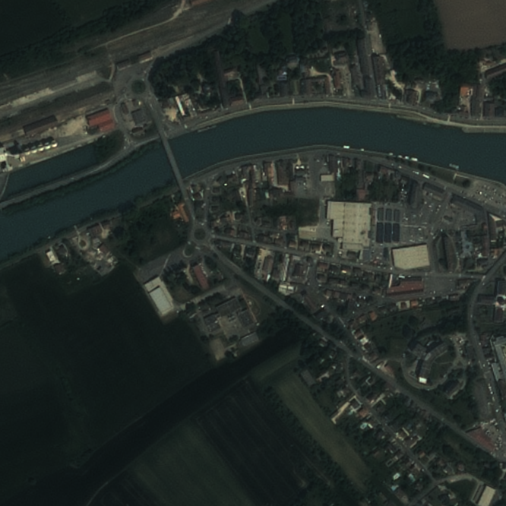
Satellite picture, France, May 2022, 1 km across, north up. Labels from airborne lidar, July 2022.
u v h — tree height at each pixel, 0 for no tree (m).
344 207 0
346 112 0
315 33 10
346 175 8
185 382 0
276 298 0
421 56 22
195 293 14
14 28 0
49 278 0
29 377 0
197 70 30
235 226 0
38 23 0
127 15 9
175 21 0
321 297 0
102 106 0
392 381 0
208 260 15
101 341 0
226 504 0
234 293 0
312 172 0
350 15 0
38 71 0
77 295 0
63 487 0
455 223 0
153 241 11
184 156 0
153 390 0
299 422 5
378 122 0
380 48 0
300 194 0
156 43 0
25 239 0
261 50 0
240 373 0
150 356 0
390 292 0
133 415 0
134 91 0
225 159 0
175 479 0
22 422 0
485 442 0
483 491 0
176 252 0
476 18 0
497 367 0
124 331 0
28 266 0
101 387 0
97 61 0
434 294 0
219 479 0
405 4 0
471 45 0
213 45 21
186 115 0
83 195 0
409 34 0
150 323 0
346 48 12
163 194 0
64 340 0
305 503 8
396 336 0
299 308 22
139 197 11
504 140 0
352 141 0
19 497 0
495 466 12
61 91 0
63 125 0
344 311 17
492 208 0
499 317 0
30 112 0
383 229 0
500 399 6
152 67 0
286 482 0
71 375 0
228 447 0
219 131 0
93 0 0
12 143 0
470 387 10
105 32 7
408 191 8
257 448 0
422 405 0
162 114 0
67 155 0
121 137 0
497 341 0
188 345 0
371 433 11
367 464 6
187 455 0
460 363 0
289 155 0
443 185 0
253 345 0
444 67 10
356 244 0
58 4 6
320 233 0
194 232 0
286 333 0
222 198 10
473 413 11
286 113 0
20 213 0
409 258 0
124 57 0
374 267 0
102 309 0
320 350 8
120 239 27
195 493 0
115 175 0
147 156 0
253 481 0
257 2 0
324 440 0
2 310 0
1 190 0
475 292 0
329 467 6
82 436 0
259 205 0
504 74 14
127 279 0
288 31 0
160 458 0
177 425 0
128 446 0
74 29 8
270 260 0
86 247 0
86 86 0
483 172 0
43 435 0
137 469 0
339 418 0
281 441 0
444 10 0
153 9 14
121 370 0
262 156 0
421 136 0
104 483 0
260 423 0
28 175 0
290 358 0
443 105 14
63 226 0
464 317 9
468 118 0
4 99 0
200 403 0
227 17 0
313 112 0
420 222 0
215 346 0
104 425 0
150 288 0
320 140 0
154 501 0
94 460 0
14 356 0
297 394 0
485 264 0
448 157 0
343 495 0
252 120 0
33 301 0
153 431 0
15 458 0
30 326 0
